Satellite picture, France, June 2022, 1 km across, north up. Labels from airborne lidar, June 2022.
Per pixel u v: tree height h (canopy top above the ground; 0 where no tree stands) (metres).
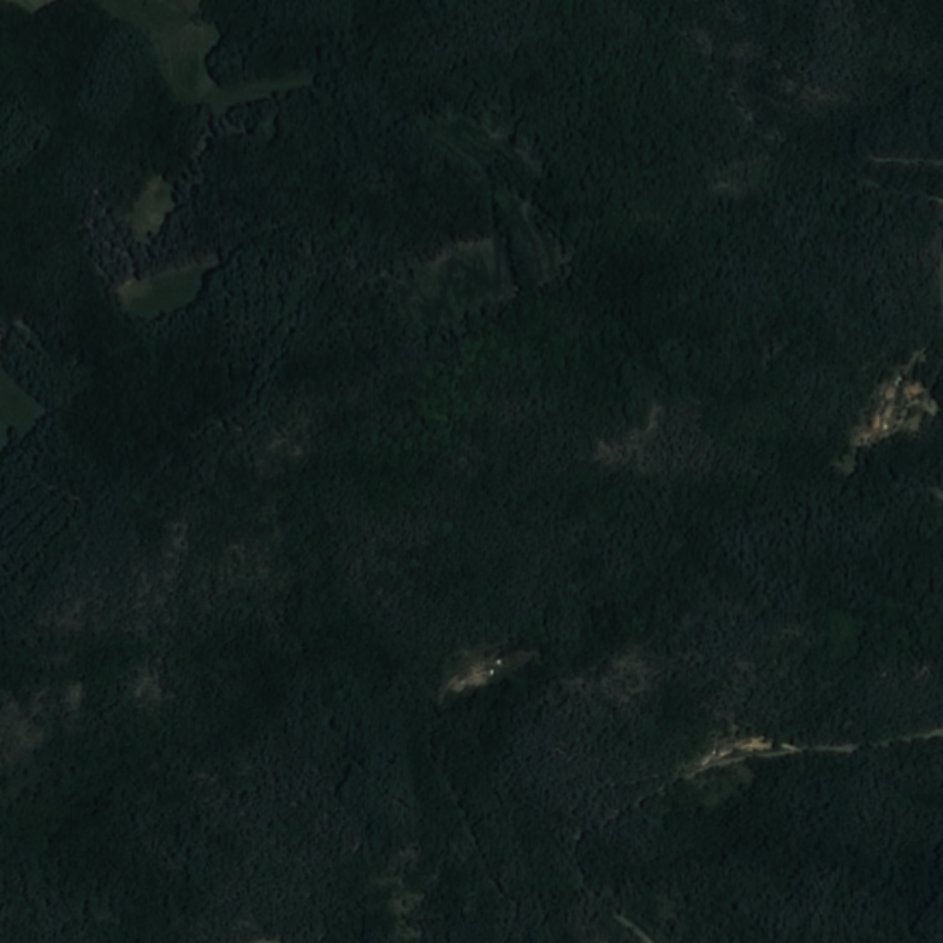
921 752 16
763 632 13
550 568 15
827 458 16
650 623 13
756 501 21
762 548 19
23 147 19
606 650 12
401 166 20
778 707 15
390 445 15
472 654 0
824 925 23
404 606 18
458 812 18
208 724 15
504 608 19
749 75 8
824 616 8
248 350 15
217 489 10
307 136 17
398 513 18
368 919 12
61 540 25
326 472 19
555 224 17
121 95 28
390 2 15
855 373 20
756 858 36
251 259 30
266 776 15
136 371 24
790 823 20
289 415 10
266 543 8
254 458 13
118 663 14
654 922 12
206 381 19
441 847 12
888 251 20
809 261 21
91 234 21
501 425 12
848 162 19
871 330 9
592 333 10
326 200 20
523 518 17
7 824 13
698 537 19
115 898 18
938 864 26
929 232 14
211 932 9
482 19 18
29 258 21
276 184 16
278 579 6
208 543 15
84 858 16
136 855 16
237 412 21
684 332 16
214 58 23
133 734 10
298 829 14
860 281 14
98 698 13
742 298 19
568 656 15
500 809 17
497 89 24
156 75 17
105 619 10
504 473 10
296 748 20
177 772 16
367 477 18
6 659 17
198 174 22
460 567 9
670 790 15
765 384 20
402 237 21
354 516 18
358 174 30
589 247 14
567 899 18
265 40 21
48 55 22
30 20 21
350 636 20
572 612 15
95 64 31
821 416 18
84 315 24
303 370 16
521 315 17
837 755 15
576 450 19
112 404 21
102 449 18
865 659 15
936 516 16
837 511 21
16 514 24
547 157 21
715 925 12
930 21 19
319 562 10
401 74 18
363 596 11
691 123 26
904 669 18
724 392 12
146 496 9
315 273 19
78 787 14
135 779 14
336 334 15
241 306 25
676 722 14
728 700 9
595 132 24
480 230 21
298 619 16
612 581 7
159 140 18
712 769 10
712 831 23
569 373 15
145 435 20
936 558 14
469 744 15
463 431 13
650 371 13
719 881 17
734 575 14
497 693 13
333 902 17
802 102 6
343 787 10
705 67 12
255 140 19
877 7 17
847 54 12
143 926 19
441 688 20
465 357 18
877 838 21
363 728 40
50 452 18
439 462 17
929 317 18
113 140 20
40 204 25
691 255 25
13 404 0
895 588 15
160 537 11
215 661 17
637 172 23
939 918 41
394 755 39
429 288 0
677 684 11
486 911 10
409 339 26
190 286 0
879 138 35
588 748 13
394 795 31
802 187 13
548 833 20
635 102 20
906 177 25
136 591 11
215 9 21
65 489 15
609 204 18
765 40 8
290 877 15
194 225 17
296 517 17
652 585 11
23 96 21
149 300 0
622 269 22
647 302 25
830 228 22
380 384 15
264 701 18
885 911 22
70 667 11
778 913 22
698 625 7
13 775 6
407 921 10
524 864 15
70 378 30
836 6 14
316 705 29
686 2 12
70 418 20
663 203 12
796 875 19
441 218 21
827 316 24
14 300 20
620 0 17
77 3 20
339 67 17
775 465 20
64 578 13
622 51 24
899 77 11
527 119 20
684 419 6
